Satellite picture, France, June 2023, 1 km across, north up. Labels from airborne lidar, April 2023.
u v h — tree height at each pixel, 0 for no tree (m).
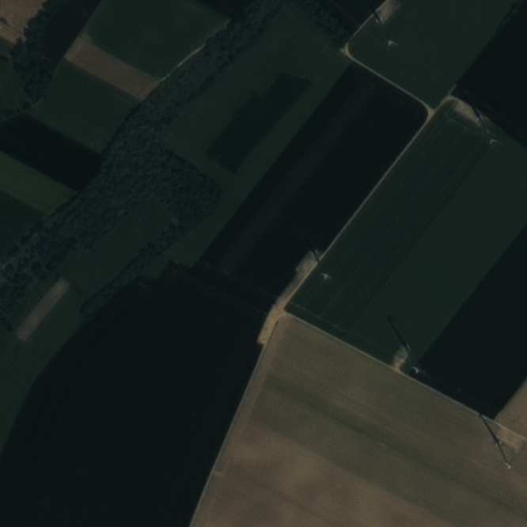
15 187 0
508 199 0
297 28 0
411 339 0
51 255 10
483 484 0
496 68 0
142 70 0
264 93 0
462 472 0
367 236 0
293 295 0
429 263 0
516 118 0
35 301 0
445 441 0
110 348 0
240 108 0
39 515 0
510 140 0
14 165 0
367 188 0
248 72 0
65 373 0
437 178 0
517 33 0
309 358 0
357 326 0
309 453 0
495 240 0
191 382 0
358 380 0
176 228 14
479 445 0
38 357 0
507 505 0
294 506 0
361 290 0
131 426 0
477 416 0
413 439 0
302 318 0
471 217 0
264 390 0
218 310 0
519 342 0
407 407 0
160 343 0
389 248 0
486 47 0
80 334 0
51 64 0
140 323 0
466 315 0
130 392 0
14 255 11
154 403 0
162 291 0
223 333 0
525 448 0
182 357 0
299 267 0
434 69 0
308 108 0
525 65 0
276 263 0
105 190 11
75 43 0
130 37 0
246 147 0
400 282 0
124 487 0
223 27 0
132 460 0
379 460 0
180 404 0
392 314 0
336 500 0
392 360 0
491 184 0
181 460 0
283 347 0
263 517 0
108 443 0
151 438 0
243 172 0
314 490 0
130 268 18
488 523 0
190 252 0
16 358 0
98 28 0
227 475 0
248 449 0
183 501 0
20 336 0
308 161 0
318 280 0
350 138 0
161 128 11
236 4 0
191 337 0
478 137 0
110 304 0
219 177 0
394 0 0
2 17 0
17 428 0
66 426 0
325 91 0
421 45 0
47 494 0
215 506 0
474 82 0
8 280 20
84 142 0
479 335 0
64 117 0
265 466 0
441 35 0
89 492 0
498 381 0
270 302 0
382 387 0
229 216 0
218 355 0
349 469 0
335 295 0
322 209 0
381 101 0
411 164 0
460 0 0
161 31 0
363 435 0
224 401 0
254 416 0
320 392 0
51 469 0
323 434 0
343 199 0
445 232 0
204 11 0
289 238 0
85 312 10
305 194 0
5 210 0
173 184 18
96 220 18
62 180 0
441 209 0
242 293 0
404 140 0
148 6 0
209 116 0
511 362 0
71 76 0
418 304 0
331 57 0
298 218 0
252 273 0
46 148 0
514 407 0
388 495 0
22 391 0
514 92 0
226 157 0
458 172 0
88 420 0
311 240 0
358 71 0
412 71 0
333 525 0
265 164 0
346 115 0
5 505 0
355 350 0
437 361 0
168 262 0
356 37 0
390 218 0
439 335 0
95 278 0
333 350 0
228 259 0
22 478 0
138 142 21
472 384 0
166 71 0
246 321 0
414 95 0
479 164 0
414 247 0
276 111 0
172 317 0
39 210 0
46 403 0
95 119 0
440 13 0
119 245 0
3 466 0
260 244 0
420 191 0
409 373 0
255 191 0
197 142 0
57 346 0
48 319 0
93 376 0
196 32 0
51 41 0
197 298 0
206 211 14
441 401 0
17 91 0
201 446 0
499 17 0
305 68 0
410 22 0
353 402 0
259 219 0
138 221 0
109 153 19
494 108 0
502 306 0
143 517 0
